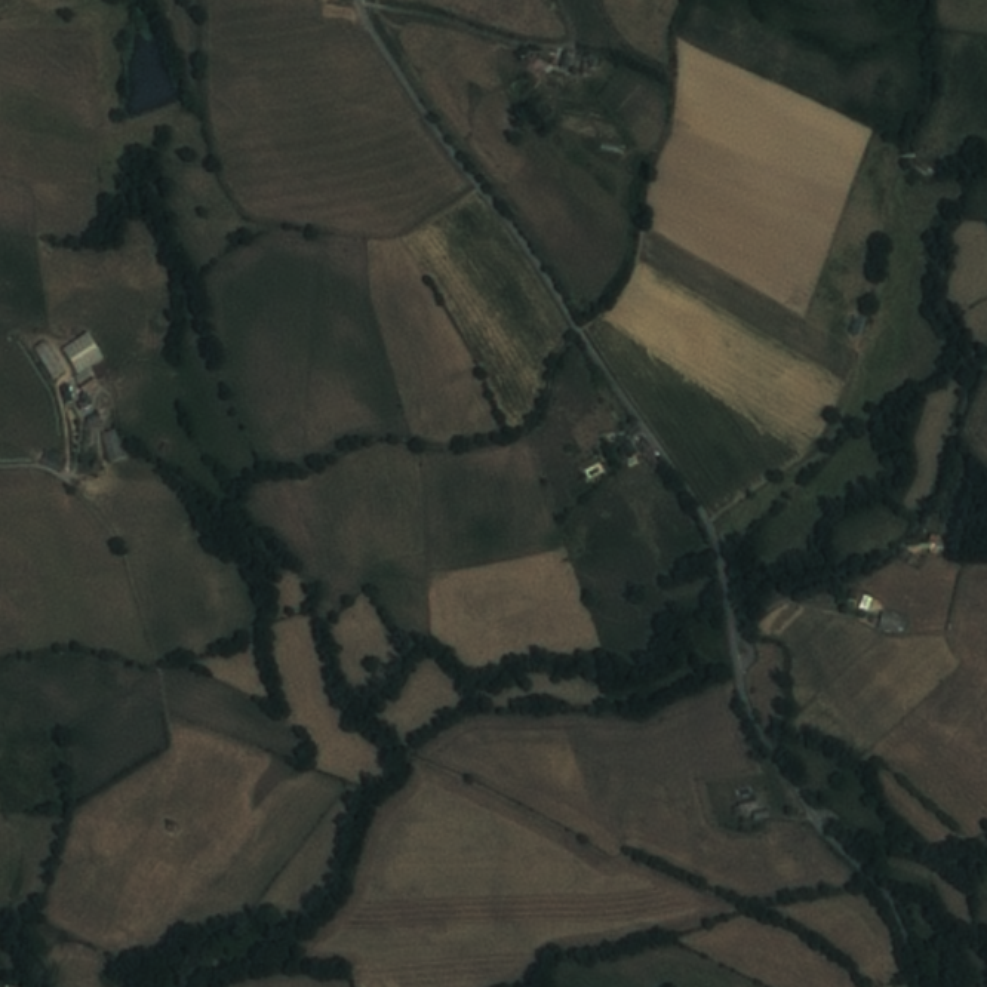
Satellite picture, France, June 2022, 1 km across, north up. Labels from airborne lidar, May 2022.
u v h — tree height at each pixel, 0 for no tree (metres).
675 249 0
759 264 0
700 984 0
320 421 0
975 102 0
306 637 0
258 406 0
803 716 0
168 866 0
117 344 0
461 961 0
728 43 0
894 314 0
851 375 0
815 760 0
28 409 0
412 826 0
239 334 0
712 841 0
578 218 0
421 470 0
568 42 0
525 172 0
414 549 0
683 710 0
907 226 0
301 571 23
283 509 0
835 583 21
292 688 0
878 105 0
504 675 24
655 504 0
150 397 0
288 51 0
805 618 0
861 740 0
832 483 0
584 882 0
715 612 21
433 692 0
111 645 0
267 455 0
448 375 0
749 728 17
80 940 0
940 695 0
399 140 0
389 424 0
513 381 0
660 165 0
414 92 0
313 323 0
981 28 0
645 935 16
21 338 0
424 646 28
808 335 0
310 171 0
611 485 0
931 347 0
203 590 0
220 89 0
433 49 0
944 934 17
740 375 0
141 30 0
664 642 21
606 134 0
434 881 0
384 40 0
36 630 0
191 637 0
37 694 0
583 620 0
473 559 0
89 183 0
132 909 0
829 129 0
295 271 0
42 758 0
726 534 0
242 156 0
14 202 0
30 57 0
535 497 0
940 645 0
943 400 0
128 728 0
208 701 0
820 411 0
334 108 0
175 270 18
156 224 19
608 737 0
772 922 14
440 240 0
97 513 0
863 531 0
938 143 0
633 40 0
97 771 0
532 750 0
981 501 19
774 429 0
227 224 0
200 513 21
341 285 0
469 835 0
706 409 0
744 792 0
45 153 0
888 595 0
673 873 11
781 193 0
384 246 0
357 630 0
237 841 0
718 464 0
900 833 12
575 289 0
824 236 0
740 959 0
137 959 24
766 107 0
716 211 0
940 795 0
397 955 0
